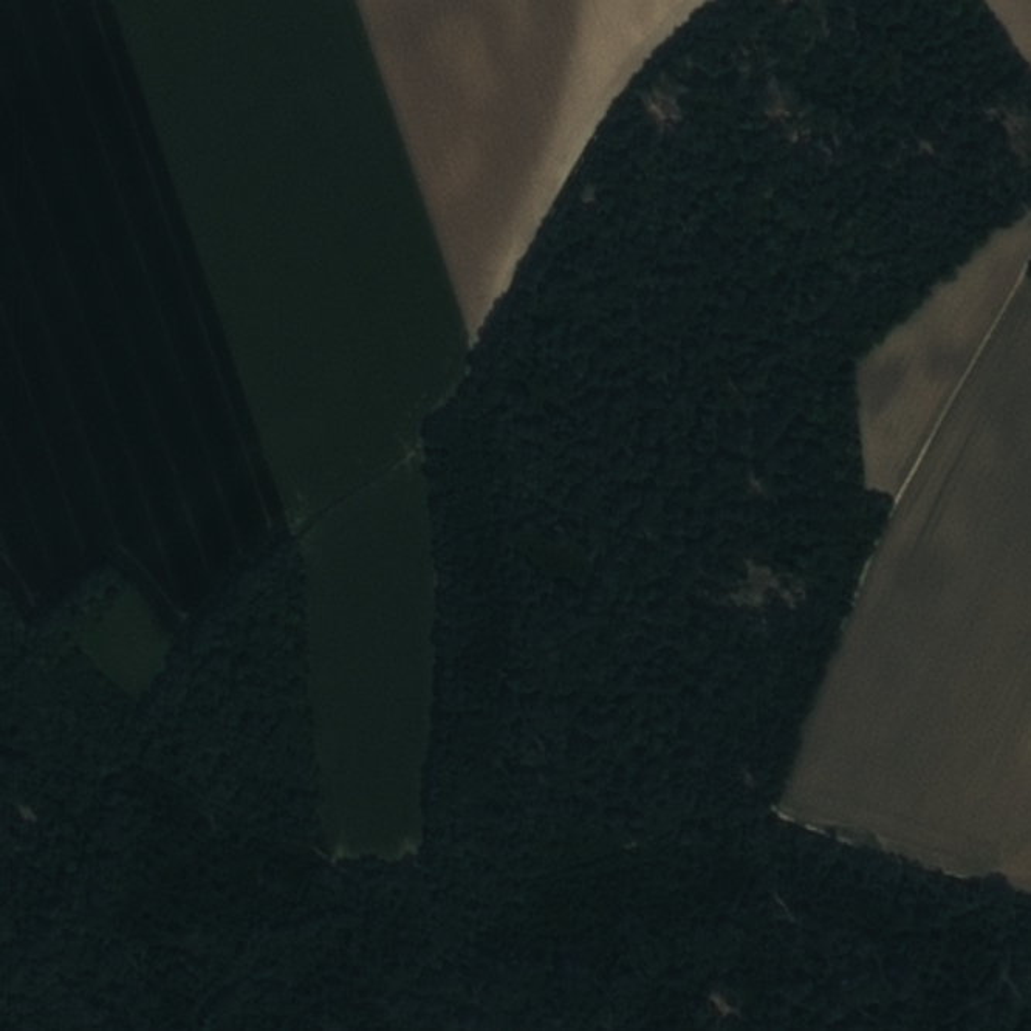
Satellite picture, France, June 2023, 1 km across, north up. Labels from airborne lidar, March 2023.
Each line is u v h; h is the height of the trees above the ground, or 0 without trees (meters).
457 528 18
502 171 0
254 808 17
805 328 22
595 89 0
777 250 10
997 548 0
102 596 19
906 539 0
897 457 0
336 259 0
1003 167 20
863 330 20
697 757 19
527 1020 18
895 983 32
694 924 18
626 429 25
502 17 0
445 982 19
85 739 25
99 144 0
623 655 15
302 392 0
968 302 0
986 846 0
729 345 24
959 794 0
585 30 0
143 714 16
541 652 16
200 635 21
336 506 0
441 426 19
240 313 0
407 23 0
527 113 0
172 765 9
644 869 6
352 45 0
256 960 17
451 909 24
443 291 0
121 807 21
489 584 19
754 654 21
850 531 16
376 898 17
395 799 0
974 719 0
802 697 19
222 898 8
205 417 0
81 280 0
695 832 19
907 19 13
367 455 0
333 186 0
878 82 8
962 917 24
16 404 0
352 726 0
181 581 0
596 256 10
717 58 20
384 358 0
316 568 0
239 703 10
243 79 0
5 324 0
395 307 0
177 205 0
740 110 9
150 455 0
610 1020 14
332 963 12
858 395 14
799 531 17
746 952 12
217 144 0
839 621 18
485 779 20
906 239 15
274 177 0
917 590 0
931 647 0
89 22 0
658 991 11
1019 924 10
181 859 7
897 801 0
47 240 0
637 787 18
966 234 18
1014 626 0
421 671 0
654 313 24
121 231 0
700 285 24
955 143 19
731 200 21
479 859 22
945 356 0
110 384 0
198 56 0
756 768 23
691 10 0
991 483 0
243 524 0
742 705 23
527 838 15
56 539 0
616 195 7
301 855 6
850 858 18
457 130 0
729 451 25
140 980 19
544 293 18
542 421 17
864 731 0
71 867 24
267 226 0
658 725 13
